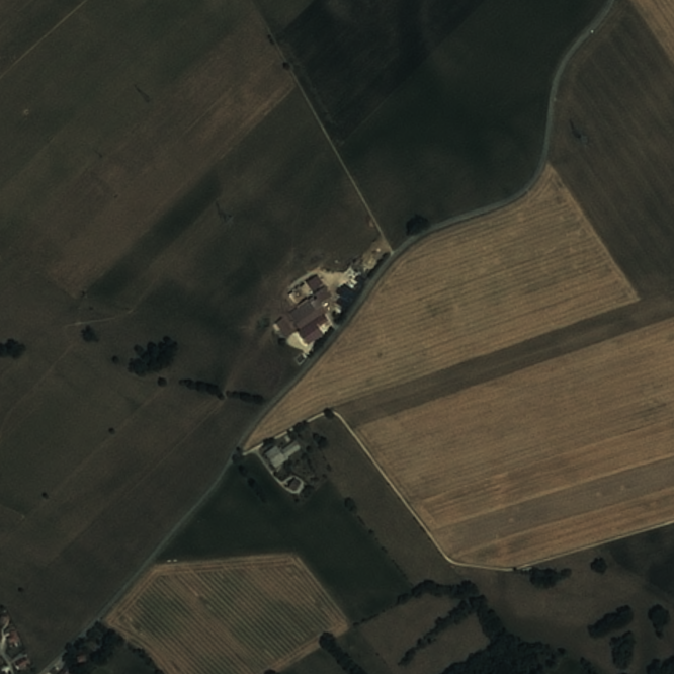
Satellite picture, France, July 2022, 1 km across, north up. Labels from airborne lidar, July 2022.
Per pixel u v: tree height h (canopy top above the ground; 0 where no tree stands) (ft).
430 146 0
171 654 0
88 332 43
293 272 0
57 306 0
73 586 0
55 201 0
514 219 0
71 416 0
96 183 0
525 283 0
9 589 0
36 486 0
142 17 0
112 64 0
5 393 0
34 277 0
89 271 0
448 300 0
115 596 0
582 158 0
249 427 0
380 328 0
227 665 0
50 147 0
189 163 0
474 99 0
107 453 0
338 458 0
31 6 0
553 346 0
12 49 0
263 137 0
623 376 0
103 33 0
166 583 0
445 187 0
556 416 0
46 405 0
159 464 0
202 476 0
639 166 0
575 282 0
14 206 0
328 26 0
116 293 0
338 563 0
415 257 0
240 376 0
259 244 0
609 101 0
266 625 0
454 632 0
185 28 0
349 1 0
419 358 0
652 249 0
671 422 0
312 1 0
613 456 0
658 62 0
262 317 0
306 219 0
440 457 0
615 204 0
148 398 0
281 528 0
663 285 0
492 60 0
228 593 0
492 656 34
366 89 0
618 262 0
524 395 0
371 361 0
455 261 0
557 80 0
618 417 0
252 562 0
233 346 0
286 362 0
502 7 0
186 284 0
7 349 48
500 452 0
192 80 0
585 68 0
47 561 0
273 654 0
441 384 0
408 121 0
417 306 0
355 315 0
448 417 0
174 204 0
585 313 0
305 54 0
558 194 0
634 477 0
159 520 0
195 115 0
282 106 0
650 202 0
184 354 0
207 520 0
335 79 0
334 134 0
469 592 57
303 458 19
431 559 0
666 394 0
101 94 0
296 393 0
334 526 0
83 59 0
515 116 0
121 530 0
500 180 0
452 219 0
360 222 0
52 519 0
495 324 0
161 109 0
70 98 0
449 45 0
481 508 0
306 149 0
